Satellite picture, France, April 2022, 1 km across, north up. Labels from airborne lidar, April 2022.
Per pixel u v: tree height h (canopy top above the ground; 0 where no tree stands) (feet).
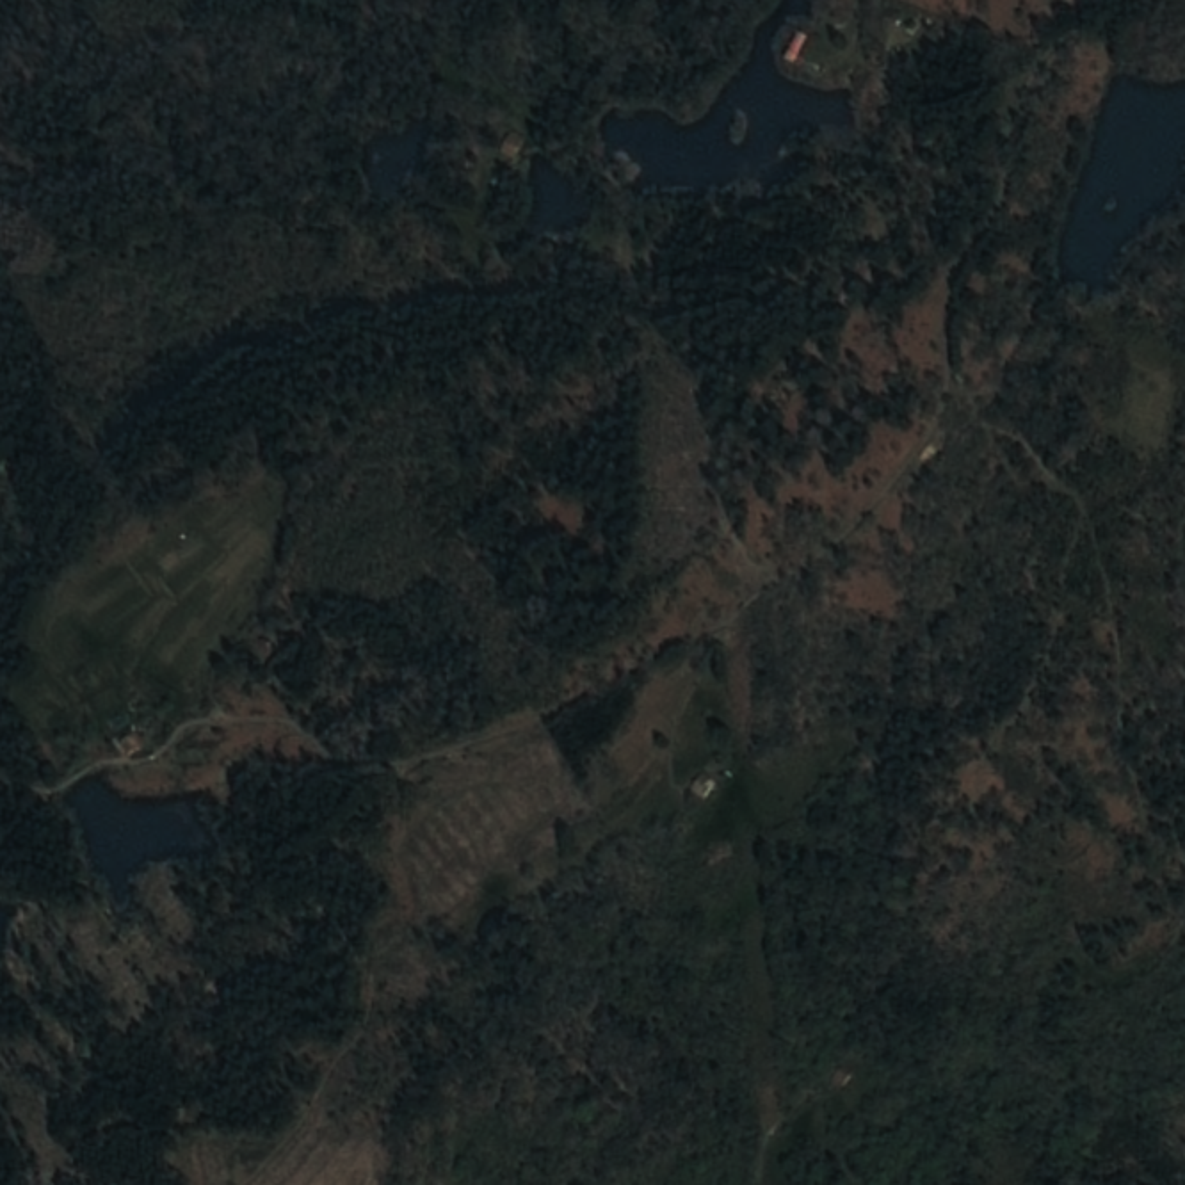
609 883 72
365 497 47
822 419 84
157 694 0
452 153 80
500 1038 52
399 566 33
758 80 0
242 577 0
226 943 50
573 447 20
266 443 55
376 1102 56
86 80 63
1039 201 49
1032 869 73
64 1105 80
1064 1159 59
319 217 30
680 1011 29
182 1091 30
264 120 83
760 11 68
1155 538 69
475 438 49
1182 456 39
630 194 51
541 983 84
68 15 30
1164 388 0
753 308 58
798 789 0
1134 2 54
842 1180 82
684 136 0
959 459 21
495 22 70
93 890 33
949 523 58
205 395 74
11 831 62
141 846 0
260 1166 0
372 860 21
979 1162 75
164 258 22
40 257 85
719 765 27
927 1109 80
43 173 57
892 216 56
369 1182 0
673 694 0
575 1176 72
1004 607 60
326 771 78
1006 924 61
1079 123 51
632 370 73
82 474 83
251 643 0
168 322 22
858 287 98
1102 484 21
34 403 61
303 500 55
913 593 26
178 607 0
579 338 95
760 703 39
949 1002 70
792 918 93
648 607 53
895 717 31
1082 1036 96
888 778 84
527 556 67
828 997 69
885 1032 95
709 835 0
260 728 0
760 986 0
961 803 19
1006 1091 94
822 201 53
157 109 65
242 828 89
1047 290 46
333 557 46
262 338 31
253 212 29
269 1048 85
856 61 0
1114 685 80
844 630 23
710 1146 21
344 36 60
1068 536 25
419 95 68
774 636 34
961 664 27
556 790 0
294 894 66
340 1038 37
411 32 76
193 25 59
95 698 0
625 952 49
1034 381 69
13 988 88
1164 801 42
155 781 0
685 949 58
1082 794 62
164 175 100
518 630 25
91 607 0
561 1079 77
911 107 78
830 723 18
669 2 45
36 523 51
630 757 0
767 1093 0
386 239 21
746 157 0
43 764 46
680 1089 90
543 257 22
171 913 0
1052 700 49
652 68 42
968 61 75
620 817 0
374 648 68
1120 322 29
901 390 38
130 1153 53
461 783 0
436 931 70
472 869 0
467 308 85
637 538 92
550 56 73
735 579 0
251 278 18
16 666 83
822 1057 67
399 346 63
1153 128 0
